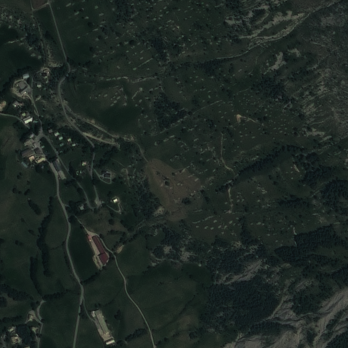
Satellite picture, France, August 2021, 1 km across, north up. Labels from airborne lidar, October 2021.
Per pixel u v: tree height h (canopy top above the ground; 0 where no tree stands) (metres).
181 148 0
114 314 0
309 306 6
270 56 0
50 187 0
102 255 0
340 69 0
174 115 6
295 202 18
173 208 0
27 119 0
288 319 0
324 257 12
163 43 7
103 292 0
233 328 0
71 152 0
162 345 15
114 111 0
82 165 0
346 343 12
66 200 0
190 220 0
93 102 0
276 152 8
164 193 0
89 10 0
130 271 0
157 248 7
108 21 0
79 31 0
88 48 0
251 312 8
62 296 11
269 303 7
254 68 0
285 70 0
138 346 0
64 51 0
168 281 0
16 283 0
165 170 0
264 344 0
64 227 0
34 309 11
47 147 0
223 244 8
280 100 8
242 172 15
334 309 0
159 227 7
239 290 6
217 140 0
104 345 0
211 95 0
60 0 0
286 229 0
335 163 0
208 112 0
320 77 0
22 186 0
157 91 0
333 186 16
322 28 0
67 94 0
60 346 0
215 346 0
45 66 0
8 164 0
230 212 0
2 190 0
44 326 0
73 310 0
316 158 21
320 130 0
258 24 0
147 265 0
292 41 0
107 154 12
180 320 0
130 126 0
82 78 0
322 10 0
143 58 0
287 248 14
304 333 0
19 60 0
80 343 0
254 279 7
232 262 9
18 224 0
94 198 0
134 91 0
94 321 0
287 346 0
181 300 0
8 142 0
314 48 0
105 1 0
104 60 0
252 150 0
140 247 0
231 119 0
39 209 8
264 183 0
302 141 0
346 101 0
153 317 0
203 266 0
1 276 13
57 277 0
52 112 0
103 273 0
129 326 0
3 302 12
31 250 0
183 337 0
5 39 0
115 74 0
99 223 0
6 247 0
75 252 0
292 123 0
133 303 0
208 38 0
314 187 23
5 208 0
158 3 0
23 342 8
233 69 7
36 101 0
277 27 0
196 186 0
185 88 0
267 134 10
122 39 0
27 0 0
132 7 7
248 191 0
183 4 0
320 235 18
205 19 0
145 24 0
